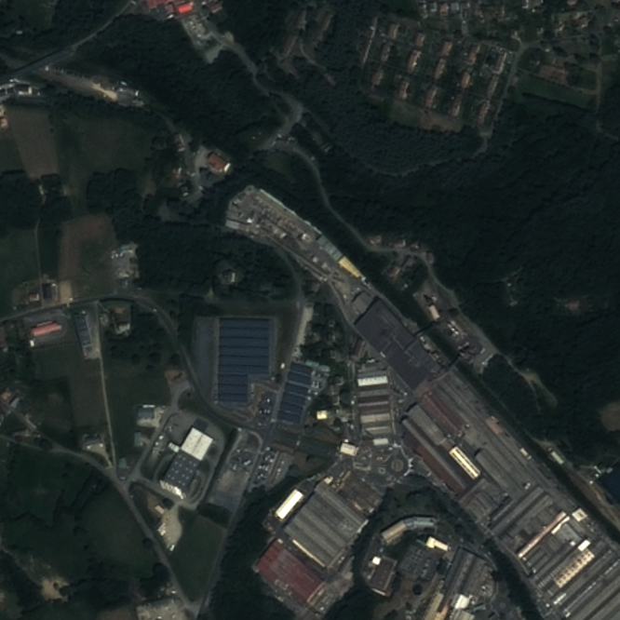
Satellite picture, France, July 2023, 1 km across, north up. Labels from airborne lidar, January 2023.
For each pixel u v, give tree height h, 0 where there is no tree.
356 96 22
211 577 0
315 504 0
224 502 0
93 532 0
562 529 0
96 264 0
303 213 15
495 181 19
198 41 0
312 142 8
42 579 0
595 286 26
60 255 0
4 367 7
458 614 0
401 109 0
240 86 21
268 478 0
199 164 0
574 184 12
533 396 9
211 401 0
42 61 0
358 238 0
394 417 0
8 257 0
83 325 0
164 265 12
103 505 0
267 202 0
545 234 25
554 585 0
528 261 20
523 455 0
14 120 0
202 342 0
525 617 9
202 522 0
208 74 7
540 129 14
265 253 18
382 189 20
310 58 0
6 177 18
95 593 11
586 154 12
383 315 0
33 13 0
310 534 0
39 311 0
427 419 0
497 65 0
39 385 10
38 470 0
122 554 0
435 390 0
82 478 0
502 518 0
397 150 26
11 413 0
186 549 0
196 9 0
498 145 21
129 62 23
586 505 6
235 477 0
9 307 0
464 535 15
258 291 28
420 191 16
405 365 0
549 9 7
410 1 0
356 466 0
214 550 0
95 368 0
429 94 0
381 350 0
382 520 18
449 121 0
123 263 0
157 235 21
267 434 0
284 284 9
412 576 0
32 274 0
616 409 0
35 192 15
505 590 0
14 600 0
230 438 6
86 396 0
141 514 0
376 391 0
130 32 22
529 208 7
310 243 0
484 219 14
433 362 0
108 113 12
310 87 21
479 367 0
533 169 16
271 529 0
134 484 0
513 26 6
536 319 14
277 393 0
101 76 0
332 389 0
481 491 0
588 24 8
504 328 0
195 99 22
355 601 20
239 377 0
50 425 0
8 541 0
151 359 11
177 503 0
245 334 0
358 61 9
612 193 25
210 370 0
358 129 25
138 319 14
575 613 0
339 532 0
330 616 8
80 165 0
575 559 0
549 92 0
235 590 15
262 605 10
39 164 0
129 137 0
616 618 0
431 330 7
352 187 21
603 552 0
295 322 0
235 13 12
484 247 16
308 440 0
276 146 0
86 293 0
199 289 18
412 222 20
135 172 7
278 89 12
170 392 0
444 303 0
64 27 18
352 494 0
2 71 18
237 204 0
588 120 27
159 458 0
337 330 21
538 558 0
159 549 0
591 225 25
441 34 7
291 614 14
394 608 0
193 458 0
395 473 0
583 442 11
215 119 23
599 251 25
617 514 0
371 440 0
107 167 0
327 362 10
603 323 18
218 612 10
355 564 15
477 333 0
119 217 30
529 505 0
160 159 7
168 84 26
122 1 15
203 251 16
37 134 0
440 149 23
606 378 21
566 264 26
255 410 0
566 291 21
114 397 0
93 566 13
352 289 0
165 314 0
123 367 0
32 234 0
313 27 19
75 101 15
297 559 0
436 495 20
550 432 17
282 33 21
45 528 12
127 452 0
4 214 14
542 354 20
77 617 0
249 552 11
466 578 0
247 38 11
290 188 10
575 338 8
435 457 0
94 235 0
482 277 10
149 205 21
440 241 9
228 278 0
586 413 17
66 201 13
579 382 18
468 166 25
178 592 0
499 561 11
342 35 24
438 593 0
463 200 15
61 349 0
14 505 0
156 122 15
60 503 9
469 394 0
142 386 0
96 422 0
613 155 14
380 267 6
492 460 0
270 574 0
